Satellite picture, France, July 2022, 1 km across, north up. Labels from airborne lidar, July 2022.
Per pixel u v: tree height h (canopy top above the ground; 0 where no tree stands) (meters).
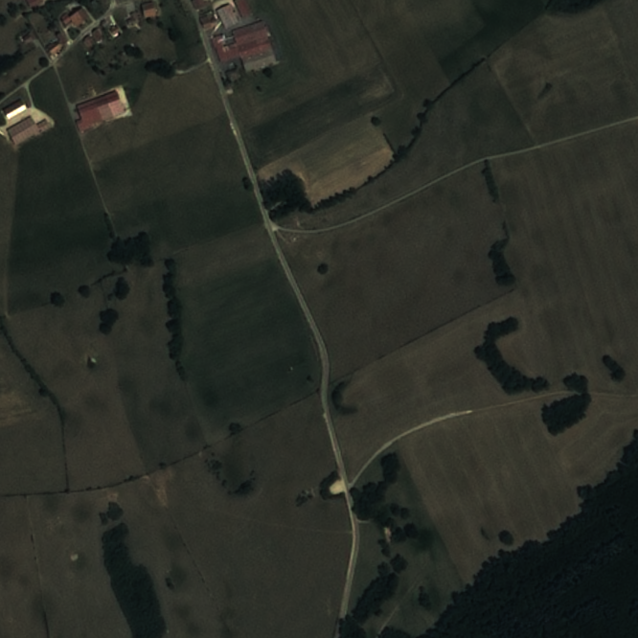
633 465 22
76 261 0
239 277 0
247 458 0
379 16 0
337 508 0
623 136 0
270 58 0
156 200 0
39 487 0
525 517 0
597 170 0
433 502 0
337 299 0
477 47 0
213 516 0
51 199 0
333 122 0
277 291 0
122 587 6
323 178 0
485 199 0
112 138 0
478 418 0
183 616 0
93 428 0
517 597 18
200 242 0
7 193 0
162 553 0
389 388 0
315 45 0
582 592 12
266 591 0
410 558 0
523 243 0
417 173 0
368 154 0
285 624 0
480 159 0
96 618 0
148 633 7
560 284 0
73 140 0
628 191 0
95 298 0
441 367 0
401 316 0
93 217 0
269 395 0
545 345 0
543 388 12
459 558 0
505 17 0
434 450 0
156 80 0
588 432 0
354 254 0
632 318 0
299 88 0
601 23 0
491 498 0
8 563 0
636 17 0
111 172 0
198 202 0
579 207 0
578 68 0
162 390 0
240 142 0
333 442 0
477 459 0
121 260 12
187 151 0
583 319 0
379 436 0
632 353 0
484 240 0
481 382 0
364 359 0
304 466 0
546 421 16
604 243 0
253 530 0
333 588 0
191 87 0
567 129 0
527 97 0
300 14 0
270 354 0
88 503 0
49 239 0
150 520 0
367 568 0
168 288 17
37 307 0
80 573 0
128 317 0
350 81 0
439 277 0
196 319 0
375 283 0
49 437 0
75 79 0
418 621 0
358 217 0
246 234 0
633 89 0
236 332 0
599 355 0
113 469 0
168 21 0
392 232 0
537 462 0
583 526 19
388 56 0
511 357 0
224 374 0
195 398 0
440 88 0
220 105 0
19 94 0
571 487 0
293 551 0
